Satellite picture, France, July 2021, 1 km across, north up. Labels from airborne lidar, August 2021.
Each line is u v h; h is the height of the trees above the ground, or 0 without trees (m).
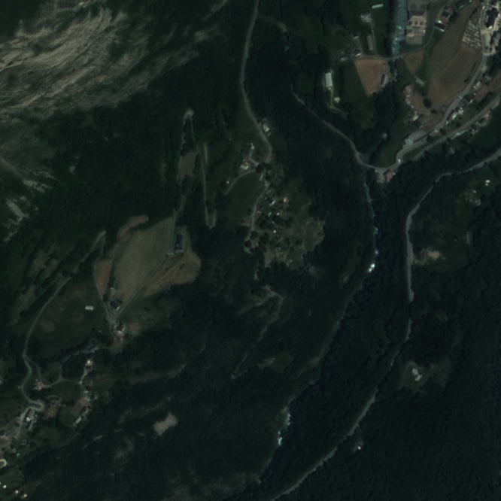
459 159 17
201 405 25
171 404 18
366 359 11
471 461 20
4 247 14
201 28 15
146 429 11
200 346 10
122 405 14
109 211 6
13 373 10
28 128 0
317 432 19
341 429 16
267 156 0
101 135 13
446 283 19
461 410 24
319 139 15
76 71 0
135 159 8
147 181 7
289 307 6
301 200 0
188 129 15
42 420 9
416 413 19
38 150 0
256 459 13
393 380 21
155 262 0
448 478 20
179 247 0
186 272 0
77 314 0
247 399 14
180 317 25
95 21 0
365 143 10
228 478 7
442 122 0
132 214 12
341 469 20
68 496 10
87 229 7
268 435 8
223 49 13
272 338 18
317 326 13
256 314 7
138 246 0
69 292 0
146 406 11
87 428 19
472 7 0
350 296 28
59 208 12
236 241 18
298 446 17
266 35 22
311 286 8
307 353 20
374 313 23
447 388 6
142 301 0
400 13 0
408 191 18
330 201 19
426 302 6
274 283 13
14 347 14
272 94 26
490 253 18
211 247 14
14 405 0
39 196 6
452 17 14
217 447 17
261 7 19
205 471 12
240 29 15
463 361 14
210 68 15
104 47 0
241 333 12
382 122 15
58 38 0
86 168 17
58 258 10
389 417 20
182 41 19
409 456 21
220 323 17
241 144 0
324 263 22
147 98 21
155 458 23
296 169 17
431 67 0
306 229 0
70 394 0
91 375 15
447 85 0
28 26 0
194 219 15
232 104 11
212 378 18
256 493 24
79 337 0
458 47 0
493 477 13
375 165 10
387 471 21
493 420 14
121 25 0
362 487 23
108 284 8
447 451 18
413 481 17
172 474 6
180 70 21
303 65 20
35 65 0
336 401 15
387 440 20
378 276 15
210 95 19
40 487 7
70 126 18
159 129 7
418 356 12
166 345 13
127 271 0
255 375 11
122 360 8
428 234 10
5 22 0
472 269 18
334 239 13
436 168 11
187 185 18
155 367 9
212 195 0
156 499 9
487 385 12
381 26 0
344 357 16
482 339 20
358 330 29
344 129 12
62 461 15
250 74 17
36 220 7
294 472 18
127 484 18
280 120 24
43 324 0
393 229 7
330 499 23
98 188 13
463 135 0
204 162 0
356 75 0
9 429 0
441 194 12
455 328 12
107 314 0
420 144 0
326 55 21
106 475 20
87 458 18
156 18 7
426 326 12
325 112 24
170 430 15
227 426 12
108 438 14
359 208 10
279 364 0
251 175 0
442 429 21
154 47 6
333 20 8
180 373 6
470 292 18
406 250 18
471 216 6
